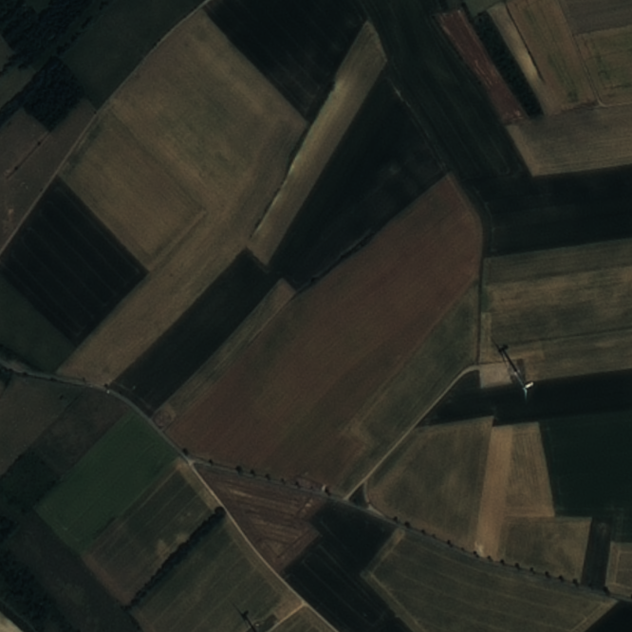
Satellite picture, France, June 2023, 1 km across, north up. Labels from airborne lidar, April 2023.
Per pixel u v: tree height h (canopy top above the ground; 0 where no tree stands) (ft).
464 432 0
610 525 0
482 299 0
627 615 0
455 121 0
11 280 0
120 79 0
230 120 0
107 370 0
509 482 0
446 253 0
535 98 19
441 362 0
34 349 0
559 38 0
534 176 0
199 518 0
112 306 0
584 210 0
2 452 0
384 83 0
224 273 0
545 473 0
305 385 0
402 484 0
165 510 0
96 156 0
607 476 0
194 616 0
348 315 0
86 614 0
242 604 0
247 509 0
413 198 0
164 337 0
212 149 0
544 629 0
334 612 0
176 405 0
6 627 0
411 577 0
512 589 0
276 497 0
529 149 0
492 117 0
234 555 0
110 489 0
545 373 0
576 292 0
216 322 0
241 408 0
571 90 0
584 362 0
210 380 0
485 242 0
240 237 0
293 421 0
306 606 0
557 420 0
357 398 0
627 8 0
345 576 0
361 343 0
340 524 0
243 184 0
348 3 0
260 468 0
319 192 0
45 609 46
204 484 0
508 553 0
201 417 0
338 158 0
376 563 0
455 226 0
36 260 0
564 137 0
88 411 0
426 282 0
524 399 0
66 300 0
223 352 0
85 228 0
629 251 0
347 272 0
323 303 0
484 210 0
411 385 0
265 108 0
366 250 0
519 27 0
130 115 0
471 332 0
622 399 0
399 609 0
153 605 0
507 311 0
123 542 0
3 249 0
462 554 0
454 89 0
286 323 0
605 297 0
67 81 33
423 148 0
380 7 0
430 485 0
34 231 0
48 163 0
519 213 0
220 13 0
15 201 0
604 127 0
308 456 0
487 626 0
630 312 0
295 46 0
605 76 0
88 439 0
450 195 0
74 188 0
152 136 0
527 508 0
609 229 0
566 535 0
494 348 0
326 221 0
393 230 0
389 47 0
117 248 0
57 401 0
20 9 37
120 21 0
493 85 0
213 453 0
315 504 0
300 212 0
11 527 44
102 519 0
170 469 0
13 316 0
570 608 0
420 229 0
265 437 0
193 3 0
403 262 0
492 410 0
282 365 0
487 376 0
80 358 0
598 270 0
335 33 0
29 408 0
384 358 0
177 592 0
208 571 0
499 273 0
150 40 0
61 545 0
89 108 0
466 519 0
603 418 0
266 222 0
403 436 0
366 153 0
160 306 0
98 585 0
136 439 0
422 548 0
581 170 0
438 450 0
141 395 0
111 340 0
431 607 0
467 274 0
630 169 0
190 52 0
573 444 0
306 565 0
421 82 0
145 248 0
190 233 0
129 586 0
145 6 0
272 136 0
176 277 0
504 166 0
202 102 0
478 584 0
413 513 0
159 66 0
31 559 0
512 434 0
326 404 0
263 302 0
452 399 0
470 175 0
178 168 0
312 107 0
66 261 0
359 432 0
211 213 0
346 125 0
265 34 0
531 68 0
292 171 0
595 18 0
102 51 0
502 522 0
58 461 0
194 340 0
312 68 0
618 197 0
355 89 0
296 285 0
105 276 0
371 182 0
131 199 0
